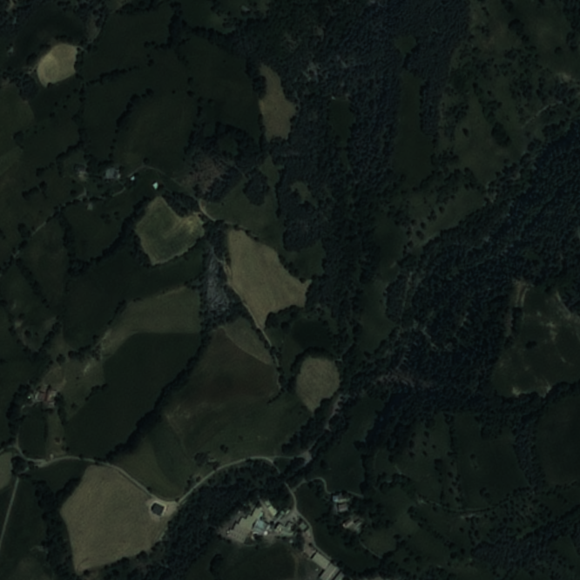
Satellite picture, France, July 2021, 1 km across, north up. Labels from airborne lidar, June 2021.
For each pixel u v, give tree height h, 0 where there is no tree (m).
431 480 0
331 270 17
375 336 0
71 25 0
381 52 16
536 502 12
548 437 0
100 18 9
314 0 10
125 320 0
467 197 0
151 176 0
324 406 15
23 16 14
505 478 0
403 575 15
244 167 18
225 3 0
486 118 10
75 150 15
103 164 13
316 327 0
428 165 0
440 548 0
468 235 18
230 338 0
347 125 0
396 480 11
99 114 0
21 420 13
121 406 0
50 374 0
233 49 19
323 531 0
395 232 0
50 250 0
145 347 0
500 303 19
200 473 0
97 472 0
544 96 10
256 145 19
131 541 0
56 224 0
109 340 0
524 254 6
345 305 23
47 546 16
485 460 0
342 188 22
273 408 0
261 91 16
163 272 0
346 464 0
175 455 0
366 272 21
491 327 17
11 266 10
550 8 0
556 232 16
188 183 0
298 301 0
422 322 24
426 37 16
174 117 0
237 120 0
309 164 19
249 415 0
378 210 8
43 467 0
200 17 0
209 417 0
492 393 25
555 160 28
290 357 0
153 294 0
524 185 9
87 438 0
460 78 15
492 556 14
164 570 14
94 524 0
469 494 0
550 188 25
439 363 32
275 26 14
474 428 0
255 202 12
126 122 15
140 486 0
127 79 0
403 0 15
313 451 10
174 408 0
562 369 0
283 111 0
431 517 0
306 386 0
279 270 0
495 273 19
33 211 0
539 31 0
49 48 13
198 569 0
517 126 0
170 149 0
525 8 0
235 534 0
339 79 22
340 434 19
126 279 0
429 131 12
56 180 0
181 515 13
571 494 0
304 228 11
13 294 0
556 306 0
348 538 13
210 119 0
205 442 0
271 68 8
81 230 0
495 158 0
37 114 0
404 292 14
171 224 0
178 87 0
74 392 0
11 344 0
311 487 14
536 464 7
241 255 0
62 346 0
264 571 0
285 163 14
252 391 0
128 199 0
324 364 0
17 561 0
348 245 23
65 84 0
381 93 10
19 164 0
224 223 14
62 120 0
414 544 0
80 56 11
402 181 7
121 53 0
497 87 0
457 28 17
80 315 0
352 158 13
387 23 13
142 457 0
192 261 0
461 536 0
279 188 18
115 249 21
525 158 11
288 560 0
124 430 0
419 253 0
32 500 0
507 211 7
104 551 0
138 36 0
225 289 9
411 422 22
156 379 0
